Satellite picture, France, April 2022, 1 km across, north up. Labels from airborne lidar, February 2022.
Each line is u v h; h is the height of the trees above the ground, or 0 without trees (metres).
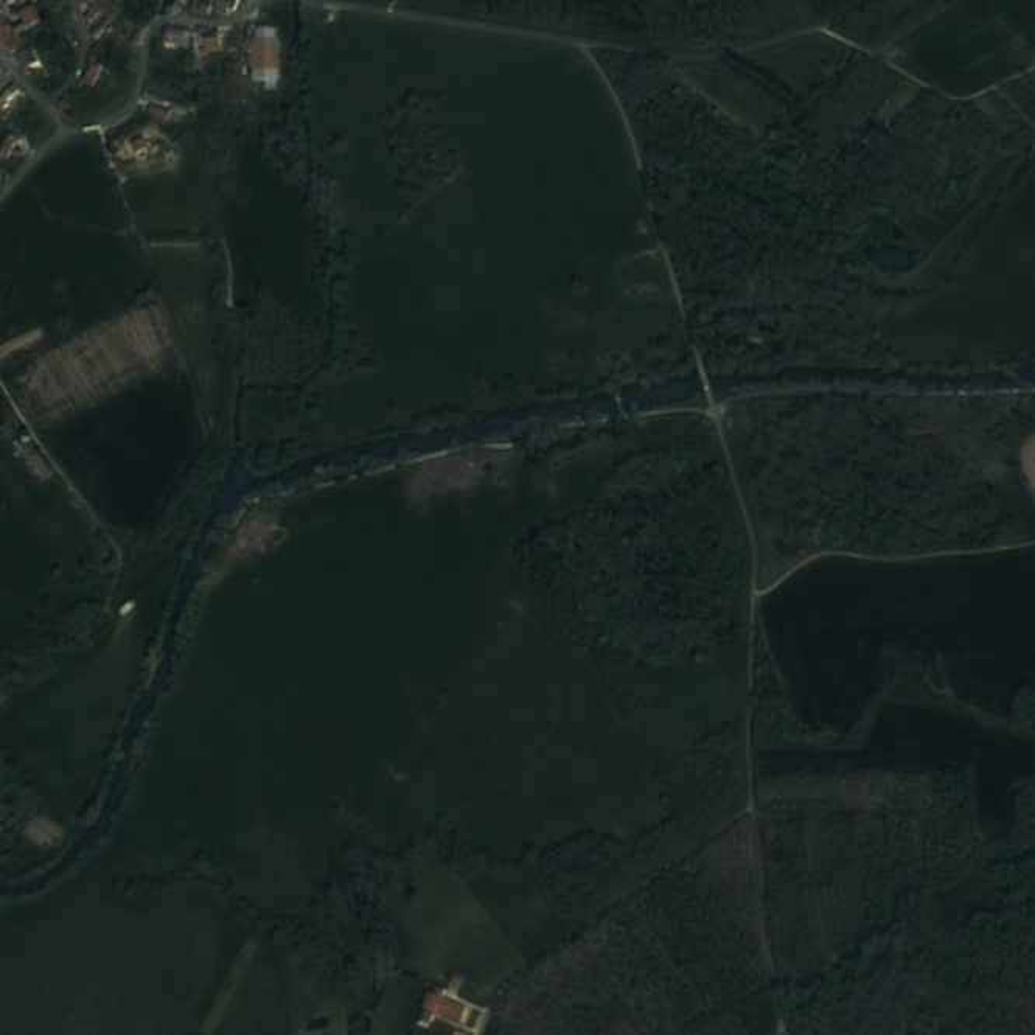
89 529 0
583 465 0
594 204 0
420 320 0
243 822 0
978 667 0
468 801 0
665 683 0
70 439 0
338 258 19
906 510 17
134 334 0
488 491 0
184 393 0
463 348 0
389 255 0
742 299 19
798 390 0
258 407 0
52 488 0
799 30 0
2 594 0
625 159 0
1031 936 20
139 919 0
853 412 23
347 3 0
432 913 0
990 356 0
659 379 21
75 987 0
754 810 0
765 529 0
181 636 15
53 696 0
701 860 8
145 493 0
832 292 22
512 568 0
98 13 0
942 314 0
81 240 0
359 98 0
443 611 0
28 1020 0
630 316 0
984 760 0
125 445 0
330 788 0
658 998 11
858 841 6
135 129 6
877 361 13
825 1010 28
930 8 19
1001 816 0
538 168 0
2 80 0
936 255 0
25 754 0
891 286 0
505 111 0
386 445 0
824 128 17
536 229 0
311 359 16
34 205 0
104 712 0
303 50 10
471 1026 0
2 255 0
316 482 18
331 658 0
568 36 0
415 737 0
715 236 15
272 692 0
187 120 8
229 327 11
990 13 0
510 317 0
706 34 18
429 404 0
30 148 0
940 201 14
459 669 0
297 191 0
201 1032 0
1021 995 21
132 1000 0
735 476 0
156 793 0
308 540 0
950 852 6
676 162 22
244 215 0
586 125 0
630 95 19
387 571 0
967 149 12
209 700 0
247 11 0
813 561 0
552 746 0
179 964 0
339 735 0
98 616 18
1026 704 21
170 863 0
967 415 18
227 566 8
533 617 0
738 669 0
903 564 0
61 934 0
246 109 0
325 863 0
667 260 0
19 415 0
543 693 0
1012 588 0
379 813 0
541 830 0
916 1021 27
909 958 16
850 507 18
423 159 21
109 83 0
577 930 0
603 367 0
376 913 19
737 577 14
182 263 0
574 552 18
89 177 0
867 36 19
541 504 0
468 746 0
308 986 0
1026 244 0
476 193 0
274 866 0
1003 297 0
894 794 9
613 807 0
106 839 17
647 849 8
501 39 0
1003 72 0
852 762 0
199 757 0
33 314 0
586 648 15
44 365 0
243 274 0
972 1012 22
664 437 0
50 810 0
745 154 20
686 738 0
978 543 8
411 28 0
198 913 0
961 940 19
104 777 6
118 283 0
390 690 0
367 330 0
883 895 12
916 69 0
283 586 0
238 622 0
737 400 15
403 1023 0
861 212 26
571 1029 14
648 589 8
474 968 0
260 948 0
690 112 18
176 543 7
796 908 13
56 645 18
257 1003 0
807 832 10
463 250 0
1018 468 16
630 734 0
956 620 0
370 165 0
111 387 0
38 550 0
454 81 0
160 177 0
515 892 0
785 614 0
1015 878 19
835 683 0
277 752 0
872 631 0
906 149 19
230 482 0
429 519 0
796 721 13
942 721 0
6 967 0
